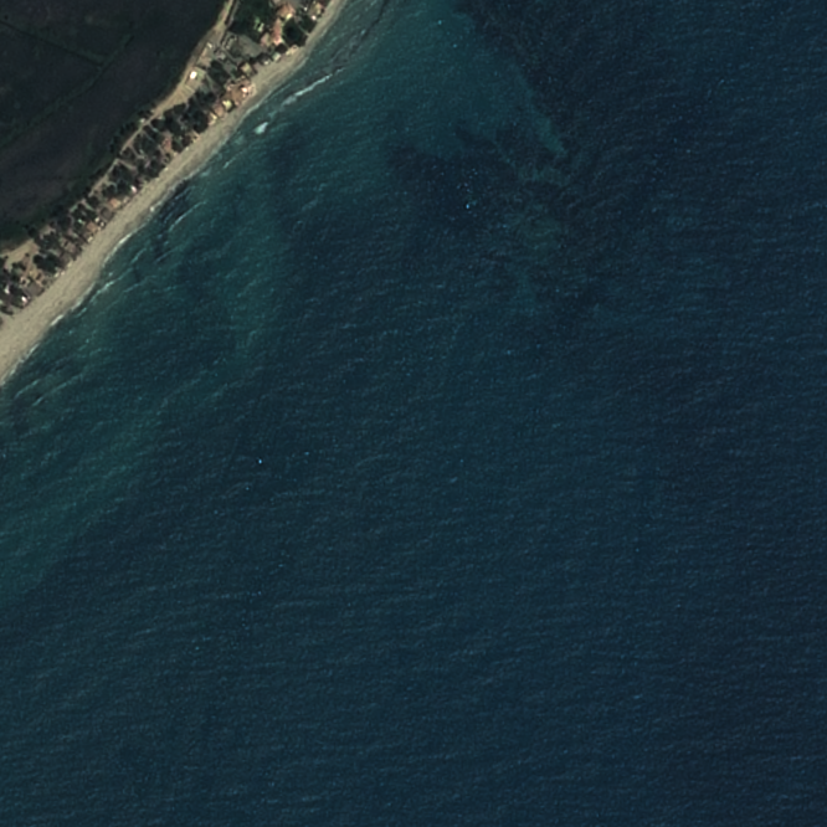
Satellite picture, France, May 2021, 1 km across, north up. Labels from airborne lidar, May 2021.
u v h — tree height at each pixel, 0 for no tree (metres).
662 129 0
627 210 0
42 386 0
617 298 0
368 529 0
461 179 0
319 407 0
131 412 0
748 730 0
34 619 0
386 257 0
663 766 0
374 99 0
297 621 0
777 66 0
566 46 0
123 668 0
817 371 0
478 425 0
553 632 0
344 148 0
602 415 0
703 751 0
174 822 0
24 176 0
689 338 0
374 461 0
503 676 0
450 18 0
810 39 0
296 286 0
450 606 0
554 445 0
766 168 0
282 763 0
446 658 0
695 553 0
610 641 0
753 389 0
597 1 0
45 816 0
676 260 0
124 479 0
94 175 9
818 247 0
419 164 0
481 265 0
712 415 0
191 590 0
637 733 0
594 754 0
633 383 0
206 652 0
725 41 0
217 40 0
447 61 0
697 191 0
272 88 0
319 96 0
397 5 0
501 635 0
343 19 0
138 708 0
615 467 0
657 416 0
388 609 0
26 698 0
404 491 0
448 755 0
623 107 0
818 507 0
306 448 0
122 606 0
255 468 0
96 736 0
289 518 0
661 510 0
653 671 0
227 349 0
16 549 0
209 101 14
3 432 0
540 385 0
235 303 0
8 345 0
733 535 0
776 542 0
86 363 0
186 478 0
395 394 0
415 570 0
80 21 0
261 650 0
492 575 0
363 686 0
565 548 0
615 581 0
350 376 0
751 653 0
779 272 0
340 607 0
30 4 0
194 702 0
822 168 0
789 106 0
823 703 0
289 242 0
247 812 0
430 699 0
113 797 0
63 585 0
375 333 0
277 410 0
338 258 0
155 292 0
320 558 0
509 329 0
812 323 0
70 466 0
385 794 0
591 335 0
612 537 0
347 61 0
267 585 0
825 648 0
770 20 0
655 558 0
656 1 0
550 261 0
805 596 0
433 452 0
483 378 0
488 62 0
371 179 0
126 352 0
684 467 0
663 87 0
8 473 0
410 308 0
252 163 0
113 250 0
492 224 0
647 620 0
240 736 0
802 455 0
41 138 0
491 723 0
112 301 0
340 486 0
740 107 0
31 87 0
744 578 0
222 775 0
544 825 0
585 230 0
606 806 0
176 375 0
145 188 0
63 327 0
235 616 0
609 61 0
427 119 0
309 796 0
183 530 0
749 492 0
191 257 0
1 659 0
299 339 0
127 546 0
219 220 0
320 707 0
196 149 0
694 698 0
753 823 0
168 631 0
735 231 0
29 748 0
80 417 0
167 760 0
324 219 0
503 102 0
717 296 0
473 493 0
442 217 0
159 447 0
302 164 0
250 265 0
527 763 0
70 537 0
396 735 0
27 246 0
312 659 0
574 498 0
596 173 0
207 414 0
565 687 0
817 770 0
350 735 0
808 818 0
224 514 0
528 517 0
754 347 0
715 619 0
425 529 0
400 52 0
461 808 0
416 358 0
